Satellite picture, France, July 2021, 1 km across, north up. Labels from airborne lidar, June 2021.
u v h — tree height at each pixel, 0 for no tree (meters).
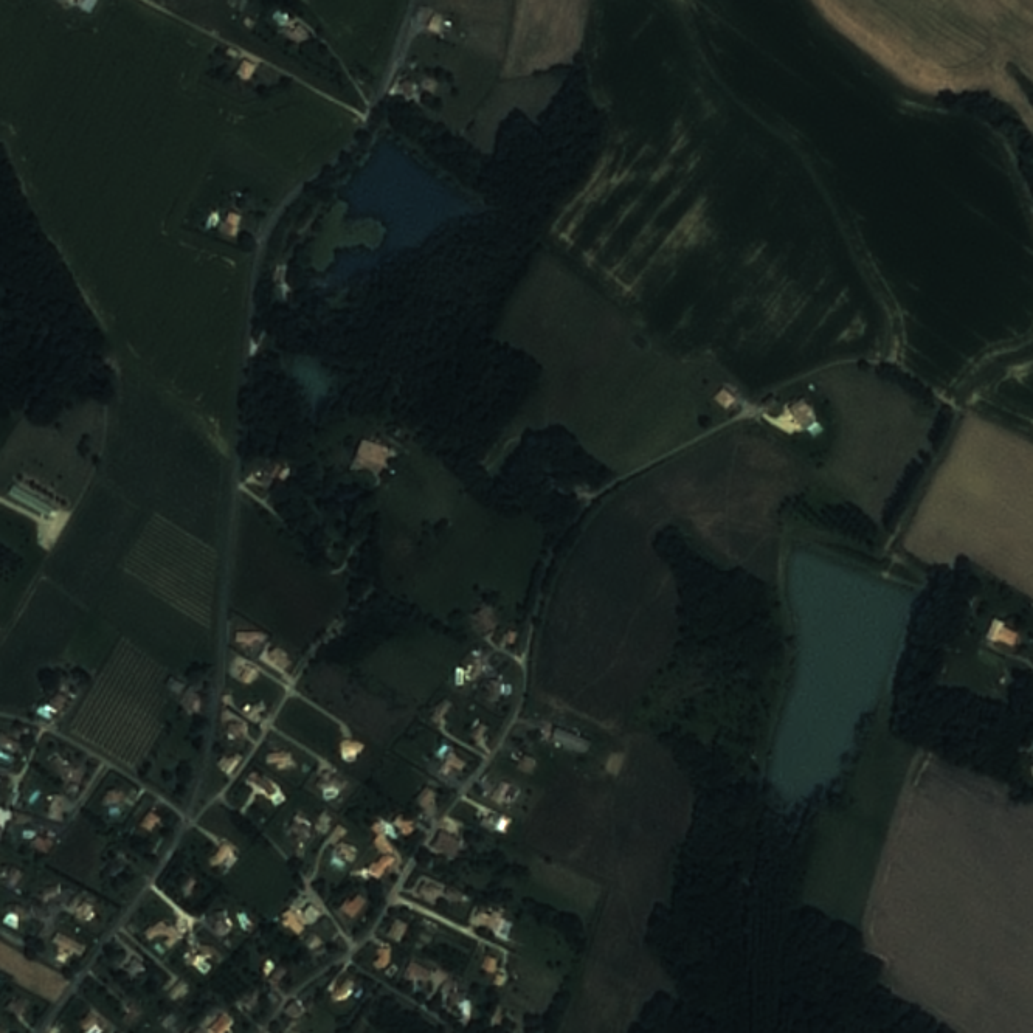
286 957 6
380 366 10
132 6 0
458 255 18
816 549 0
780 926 24
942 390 0
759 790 16
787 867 21
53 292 16
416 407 10
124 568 0
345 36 0
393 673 0
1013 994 0
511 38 0
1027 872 0
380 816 8
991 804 0
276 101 0
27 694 0
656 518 0
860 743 8
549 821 0
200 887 10
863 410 0
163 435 0
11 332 18
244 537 0
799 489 0
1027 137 8
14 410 10
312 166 0
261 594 0
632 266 0
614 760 0
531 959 0
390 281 15
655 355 0
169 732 9
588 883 0
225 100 0
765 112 0
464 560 0
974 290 0
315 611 0
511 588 0
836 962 22
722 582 21
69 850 0
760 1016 24
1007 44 0
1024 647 8
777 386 0
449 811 0
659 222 0
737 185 0
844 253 0
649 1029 17
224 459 0
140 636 0
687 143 0
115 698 0
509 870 8
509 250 13
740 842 23
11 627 0
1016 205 0
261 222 9
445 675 0
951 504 0
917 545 0
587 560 0
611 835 0
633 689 0
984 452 0
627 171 0
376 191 0
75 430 0
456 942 0
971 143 0
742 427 0
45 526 0
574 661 0
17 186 15
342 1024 8
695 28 0
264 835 13
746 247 0
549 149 16
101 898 6
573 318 0
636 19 0
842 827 0
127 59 0
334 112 0
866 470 0
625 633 0
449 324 15
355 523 19
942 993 0
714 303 0
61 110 0
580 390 0
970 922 0
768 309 0
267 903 0
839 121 0
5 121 0
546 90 0
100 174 0
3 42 0
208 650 0
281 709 0
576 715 0
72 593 0
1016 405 0
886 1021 19
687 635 9
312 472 16
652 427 0
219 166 0
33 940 7
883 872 0
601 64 0
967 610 26
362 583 11
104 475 0
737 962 18
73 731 0
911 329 0
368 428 0
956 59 0
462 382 19
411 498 0
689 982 24
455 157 9
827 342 0
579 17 0
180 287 0
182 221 0
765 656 9
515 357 18
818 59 0
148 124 0
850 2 0
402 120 16
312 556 17
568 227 0
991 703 13
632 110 0
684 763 11
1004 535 0
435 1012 7
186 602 0
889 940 0
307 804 0
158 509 0
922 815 0
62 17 0
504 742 0
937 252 0
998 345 0
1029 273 0
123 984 12
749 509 0
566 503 16
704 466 0
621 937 0
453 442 10
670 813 0
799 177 0
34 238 19
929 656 12
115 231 0
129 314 0
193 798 0
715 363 0
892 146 0
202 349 0
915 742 22
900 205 0
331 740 0
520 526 0
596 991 0
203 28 0
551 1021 16
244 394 12
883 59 0
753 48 0
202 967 0
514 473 22
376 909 12
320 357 15
